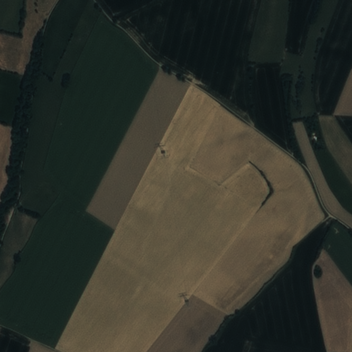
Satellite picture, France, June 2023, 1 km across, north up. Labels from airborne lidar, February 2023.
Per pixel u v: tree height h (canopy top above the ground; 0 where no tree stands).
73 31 0
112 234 0
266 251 0
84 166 0
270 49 0
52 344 0
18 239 0
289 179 0
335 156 0
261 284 0
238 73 0
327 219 0
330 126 0
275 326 0
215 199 0
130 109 0
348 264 0
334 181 0
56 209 0
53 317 0
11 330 0
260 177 0
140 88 0
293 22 0
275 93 0
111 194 0
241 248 0
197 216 0
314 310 0
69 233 0
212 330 0
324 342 0
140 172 0
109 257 0
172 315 0
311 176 0
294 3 0
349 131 0
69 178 0
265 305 0
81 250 0
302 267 0
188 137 0
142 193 0
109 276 0
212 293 0
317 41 8
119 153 0
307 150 0
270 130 0
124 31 0
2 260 0
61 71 0
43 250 0
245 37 0
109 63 0
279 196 0
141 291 0
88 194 0
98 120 0
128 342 0
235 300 0
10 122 0
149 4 0
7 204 18
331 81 0
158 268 0
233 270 0
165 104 0
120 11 0
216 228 0
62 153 0
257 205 0
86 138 0
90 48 0
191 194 0
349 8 0
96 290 0
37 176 0
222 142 0
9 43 0
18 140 26
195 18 0
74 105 0
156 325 0
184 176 0
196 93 0
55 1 0
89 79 0
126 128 0
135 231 0
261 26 0
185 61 0
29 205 0
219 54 0
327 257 0
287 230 0
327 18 0
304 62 0
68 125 0
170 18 0
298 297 0
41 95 0
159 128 0
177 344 0
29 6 0
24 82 19
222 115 0
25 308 0
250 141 0
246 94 0
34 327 0
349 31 0
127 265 0
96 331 0
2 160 0
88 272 0
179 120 0
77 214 0
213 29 0
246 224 0
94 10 0
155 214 0
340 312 0
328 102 0
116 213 0
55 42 0
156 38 0
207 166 0
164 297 0
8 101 0
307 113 0
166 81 0
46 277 0
